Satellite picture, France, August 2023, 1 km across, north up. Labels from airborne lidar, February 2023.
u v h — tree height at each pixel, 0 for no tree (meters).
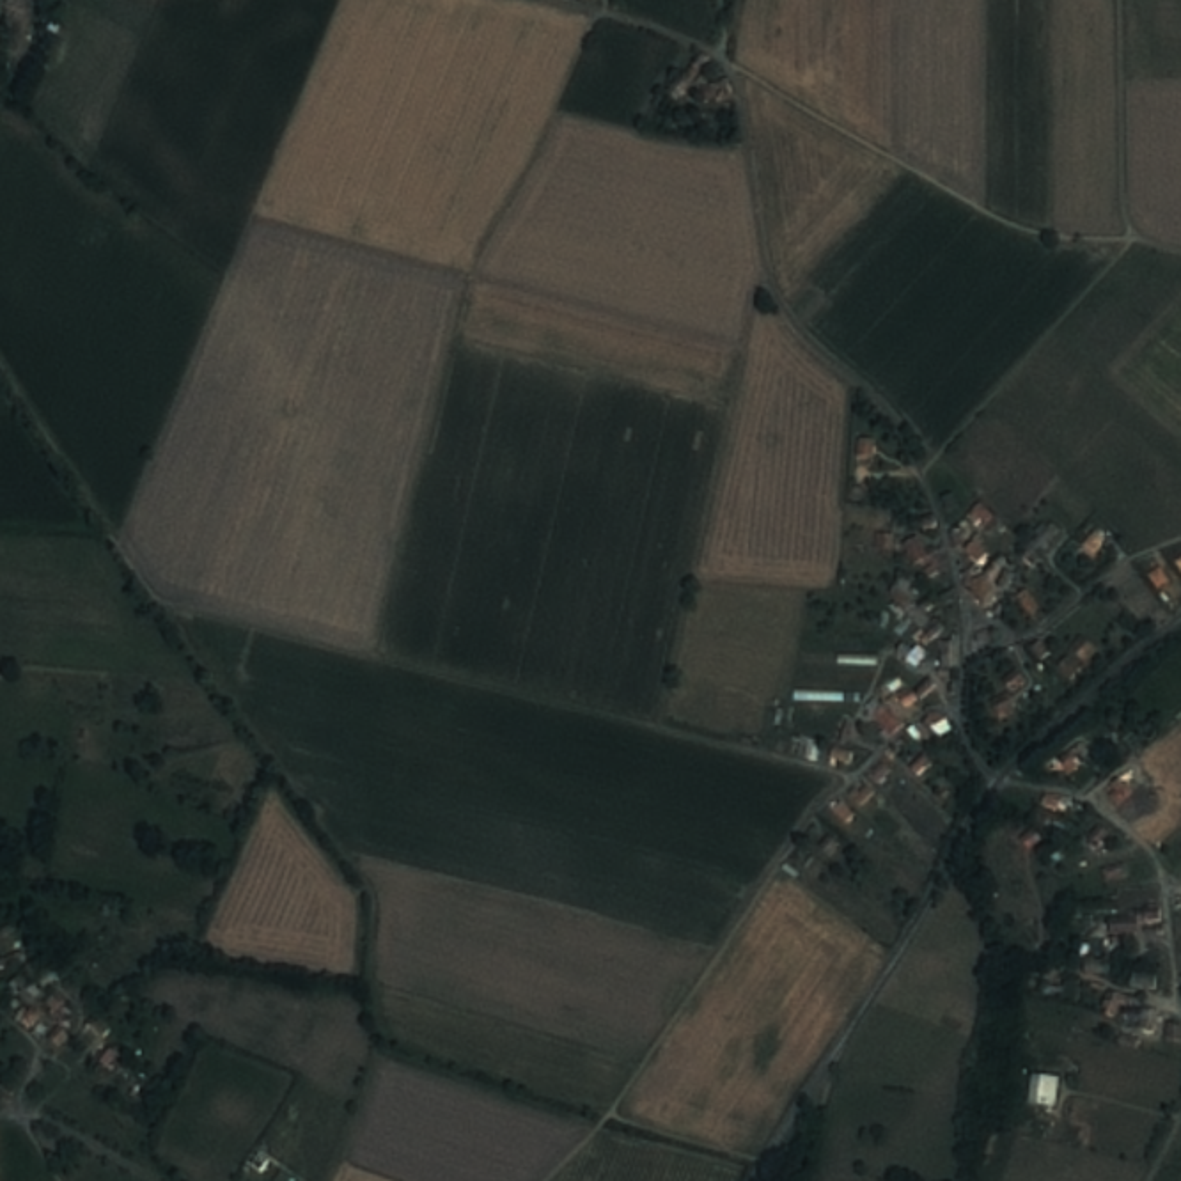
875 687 0
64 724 0
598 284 0
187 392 0
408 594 0
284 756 0
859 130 0
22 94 17
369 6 0
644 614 0
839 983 0
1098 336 0
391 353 0
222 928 0
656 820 0
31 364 0
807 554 0
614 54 0
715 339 0
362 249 0
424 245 0
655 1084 0
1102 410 0
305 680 0
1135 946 9
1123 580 0
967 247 0
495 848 0
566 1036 0
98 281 0
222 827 0
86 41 0
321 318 0
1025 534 7
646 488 0
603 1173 0
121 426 0
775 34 0
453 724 0
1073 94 0
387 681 0
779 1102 0
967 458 0
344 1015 0
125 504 0
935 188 0
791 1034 0
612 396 0
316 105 0
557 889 0
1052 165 0
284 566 0
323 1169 0
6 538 0
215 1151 0
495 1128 0
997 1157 0
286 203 0
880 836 0
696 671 0
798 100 0
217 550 0
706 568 0
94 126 0
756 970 0
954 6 0
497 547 0
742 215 0
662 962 0
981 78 0
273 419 0
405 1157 0
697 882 0
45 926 20
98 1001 16
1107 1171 0
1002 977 18
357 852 0
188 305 0
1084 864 0
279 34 0
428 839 0
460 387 0
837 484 0
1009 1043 9
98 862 0
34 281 0
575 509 0
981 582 0
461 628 0
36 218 0
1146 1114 0
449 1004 0
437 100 0
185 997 0
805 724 0
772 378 0
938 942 0
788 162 0
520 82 0
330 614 0
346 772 0
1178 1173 0
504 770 0
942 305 0
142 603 14
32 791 0
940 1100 0
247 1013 0
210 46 0
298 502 0
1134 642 9
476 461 0
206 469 0
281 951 0
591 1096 0
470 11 0
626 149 0
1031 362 0
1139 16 0
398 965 0
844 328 0
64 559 0
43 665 0
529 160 0
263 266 0
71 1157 12
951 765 0
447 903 0
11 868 28
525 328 0
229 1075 0
